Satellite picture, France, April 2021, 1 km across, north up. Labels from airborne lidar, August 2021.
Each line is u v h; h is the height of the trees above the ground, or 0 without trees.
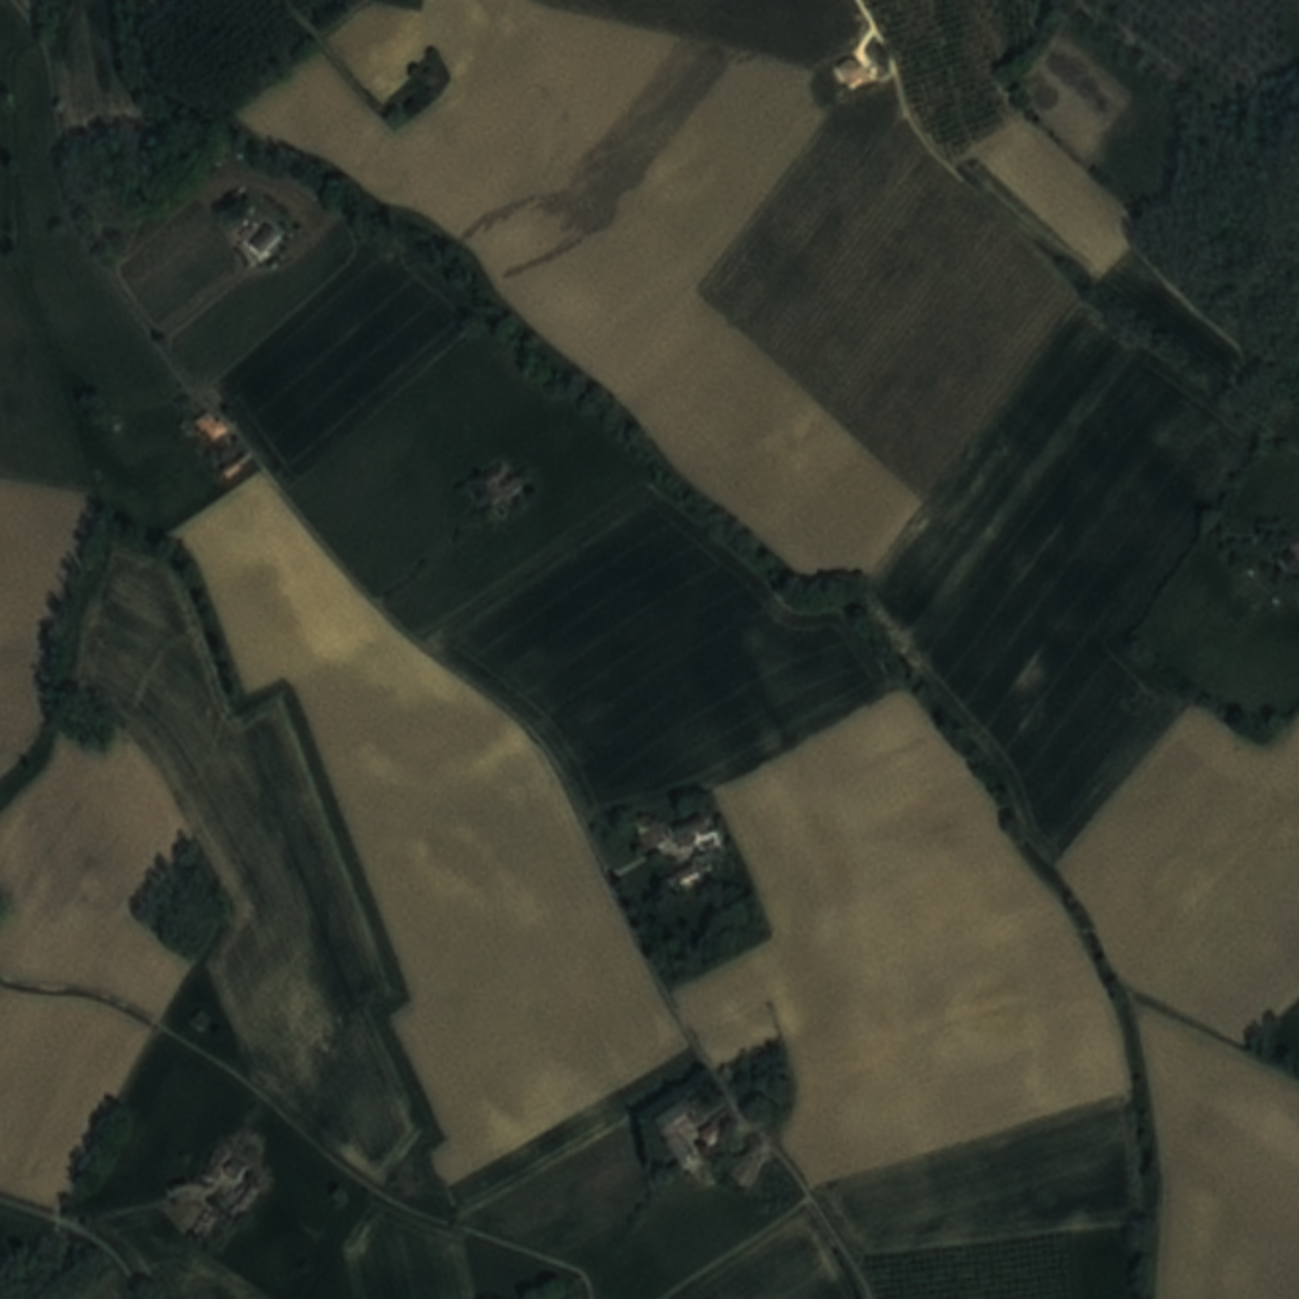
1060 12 16
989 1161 0
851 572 6
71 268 0
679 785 0
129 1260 0
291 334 0
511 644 0
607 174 0
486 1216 0
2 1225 0
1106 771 0
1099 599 0
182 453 0
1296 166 13
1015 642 0
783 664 0
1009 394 0
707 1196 0
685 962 14
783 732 0
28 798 0
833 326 0
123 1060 0
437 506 0
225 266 0
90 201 20
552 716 0
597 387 13
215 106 29
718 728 0
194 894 24
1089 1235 0
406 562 0
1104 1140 0
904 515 0
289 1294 0
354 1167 0
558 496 0
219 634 0
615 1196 0
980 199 0
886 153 0
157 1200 0
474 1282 0
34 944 0
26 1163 0
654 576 0
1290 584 12
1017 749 0
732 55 0
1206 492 0
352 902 0
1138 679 0
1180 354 16
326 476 0
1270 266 11
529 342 14
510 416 0
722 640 0
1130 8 13
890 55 13
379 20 0
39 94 0
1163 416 0
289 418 0
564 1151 0
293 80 11
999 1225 0
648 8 0
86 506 0
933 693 17
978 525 0
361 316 0
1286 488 0
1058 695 0
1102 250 0
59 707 20
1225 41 9
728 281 0
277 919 0
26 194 0
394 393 0
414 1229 0
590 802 0
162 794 0
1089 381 0
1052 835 0
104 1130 14
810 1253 0
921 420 0
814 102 0
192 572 27
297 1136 0
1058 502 0
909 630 0
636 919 9
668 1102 12
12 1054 0
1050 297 0
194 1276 0
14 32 0
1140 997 0
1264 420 13
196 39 23
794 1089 14
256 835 0
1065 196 0
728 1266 0
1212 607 0
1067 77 0
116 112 0
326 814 0
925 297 0
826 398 0
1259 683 0
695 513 10
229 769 0
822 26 0
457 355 0
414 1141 0
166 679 0
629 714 0
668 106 0
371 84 0
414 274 0
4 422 0
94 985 0
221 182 0
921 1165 0
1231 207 16
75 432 0
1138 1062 0
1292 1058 16
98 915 0
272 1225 0
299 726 0
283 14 14
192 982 0
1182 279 14
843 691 0
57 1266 15
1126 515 0
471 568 0
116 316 0
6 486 0
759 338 0
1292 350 11
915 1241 0
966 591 0
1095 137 0
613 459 0
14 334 0
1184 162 17
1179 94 15
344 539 0
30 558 0
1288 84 13
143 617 0
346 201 17
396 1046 0
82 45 0
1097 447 0
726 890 13
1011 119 0
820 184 0
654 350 0
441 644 0
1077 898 8
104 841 0
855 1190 0
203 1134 0
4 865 0
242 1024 0
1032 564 0
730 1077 6
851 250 0
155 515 0
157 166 28
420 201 0
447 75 0
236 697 26
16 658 0
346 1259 0
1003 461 0
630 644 0
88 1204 0
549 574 0
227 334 0
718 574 0
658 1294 0
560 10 0
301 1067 0
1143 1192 0
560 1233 0
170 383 0
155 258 0
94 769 0
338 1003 0
